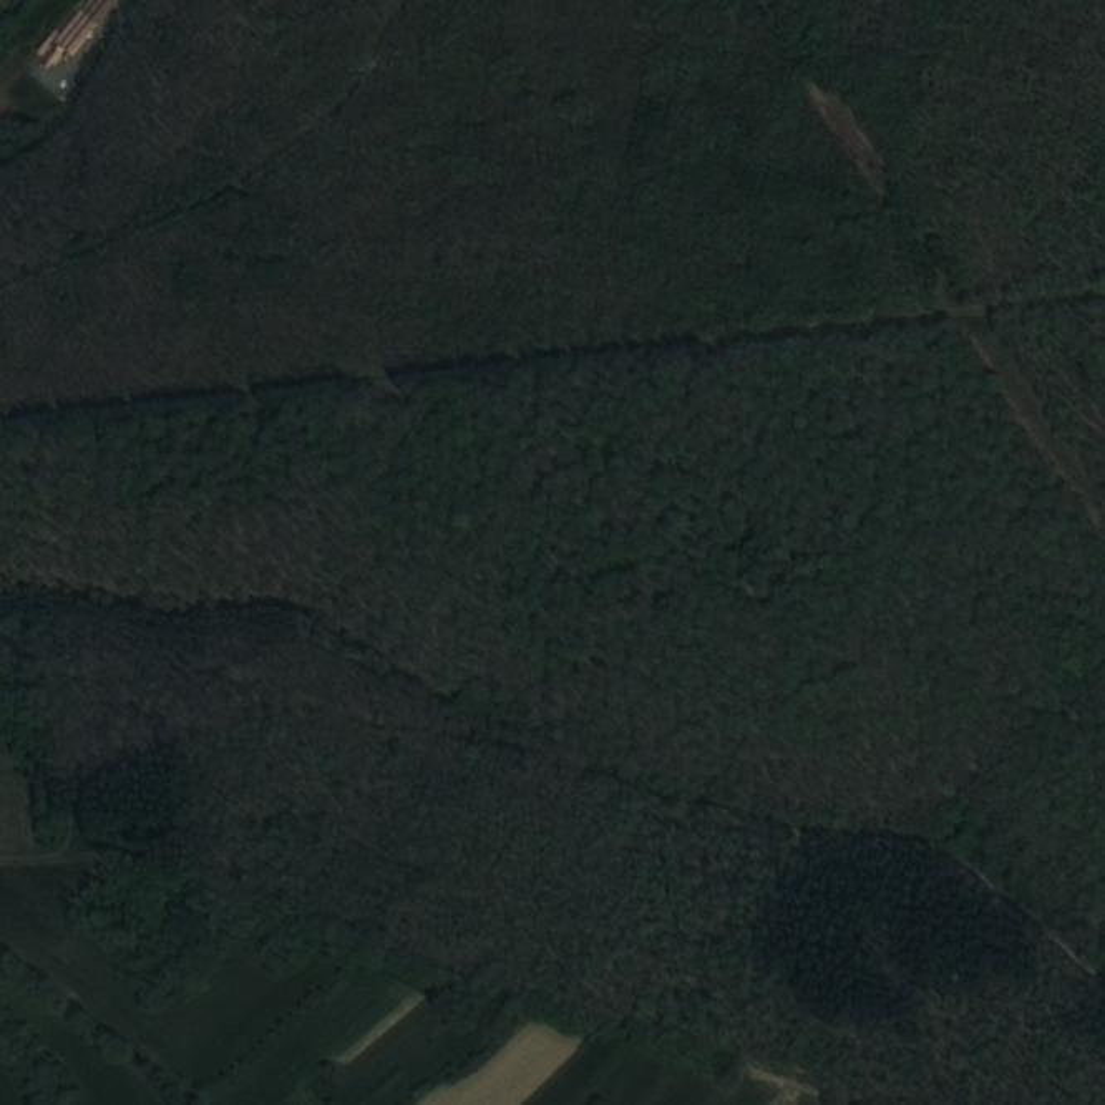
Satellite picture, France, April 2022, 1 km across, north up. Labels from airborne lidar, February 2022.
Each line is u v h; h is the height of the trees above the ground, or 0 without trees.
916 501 30
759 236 14
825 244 14
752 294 16
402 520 33
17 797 0
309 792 29
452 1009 24
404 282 19
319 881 23
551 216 24
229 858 30
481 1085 0
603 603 35
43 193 24
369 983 0
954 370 28
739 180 15
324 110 17
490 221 22
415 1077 0
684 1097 0
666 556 27
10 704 29
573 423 34
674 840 25
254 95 15
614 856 20
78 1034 21
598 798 24
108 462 28
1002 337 22
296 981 0
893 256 20
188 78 21
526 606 32
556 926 23
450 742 23
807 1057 27
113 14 7
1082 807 21
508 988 24
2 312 21
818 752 24
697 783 23
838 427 29
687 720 23
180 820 36
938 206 19
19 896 0
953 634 28
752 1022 27
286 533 32
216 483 29
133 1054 18
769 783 33
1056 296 19
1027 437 16
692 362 28
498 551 34
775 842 24
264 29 22
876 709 22
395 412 34
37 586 28
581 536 31
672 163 16
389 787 27
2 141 21
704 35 19
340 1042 0
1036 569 29
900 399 29
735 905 22
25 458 30
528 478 32
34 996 20
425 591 31
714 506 28
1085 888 26
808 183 15
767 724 26
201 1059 0
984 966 29
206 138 17
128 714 28
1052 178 20
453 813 24
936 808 30
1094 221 28
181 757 34
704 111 20
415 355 20
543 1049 0
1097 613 25
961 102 16
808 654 29
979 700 24
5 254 23
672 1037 25
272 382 19
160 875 28
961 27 19
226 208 21
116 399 20
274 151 18
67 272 21
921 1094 29
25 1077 11
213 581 29
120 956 12
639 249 19
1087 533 23
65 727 27
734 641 29
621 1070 0
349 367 22
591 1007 27
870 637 28
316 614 24
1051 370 24
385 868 22
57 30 0
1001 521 31
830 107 0
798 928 32
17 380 22
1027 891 25
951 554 31
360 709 25
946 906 28
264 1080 0
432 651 31
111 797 35
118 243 19
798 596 32
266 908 27
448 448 31
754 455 29
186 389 21
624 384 31
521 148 15
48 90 0
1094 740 28
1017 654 27
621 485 30
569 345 23
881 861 25
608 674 29
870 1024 24
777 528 32
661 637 30
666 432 29
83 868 0
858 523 31
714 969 27
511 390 27
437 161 18
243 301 22
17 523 28
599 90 13
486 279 24
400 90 15
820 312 14
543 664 34
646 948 26
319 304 20
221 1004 0
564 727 21
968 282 13
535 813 25
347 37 15
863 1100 28
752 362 32
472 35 18
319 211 21
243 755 26
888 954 26
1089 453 23
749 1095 0
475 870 21
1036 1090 26
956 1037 27
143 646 26
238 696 25
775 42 16
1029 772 24
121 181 20
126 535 32
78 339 25
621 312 24
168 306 23
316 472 31
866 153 0
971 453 31
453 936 26
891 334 26
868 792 25
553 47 13
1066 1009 28
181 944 22
